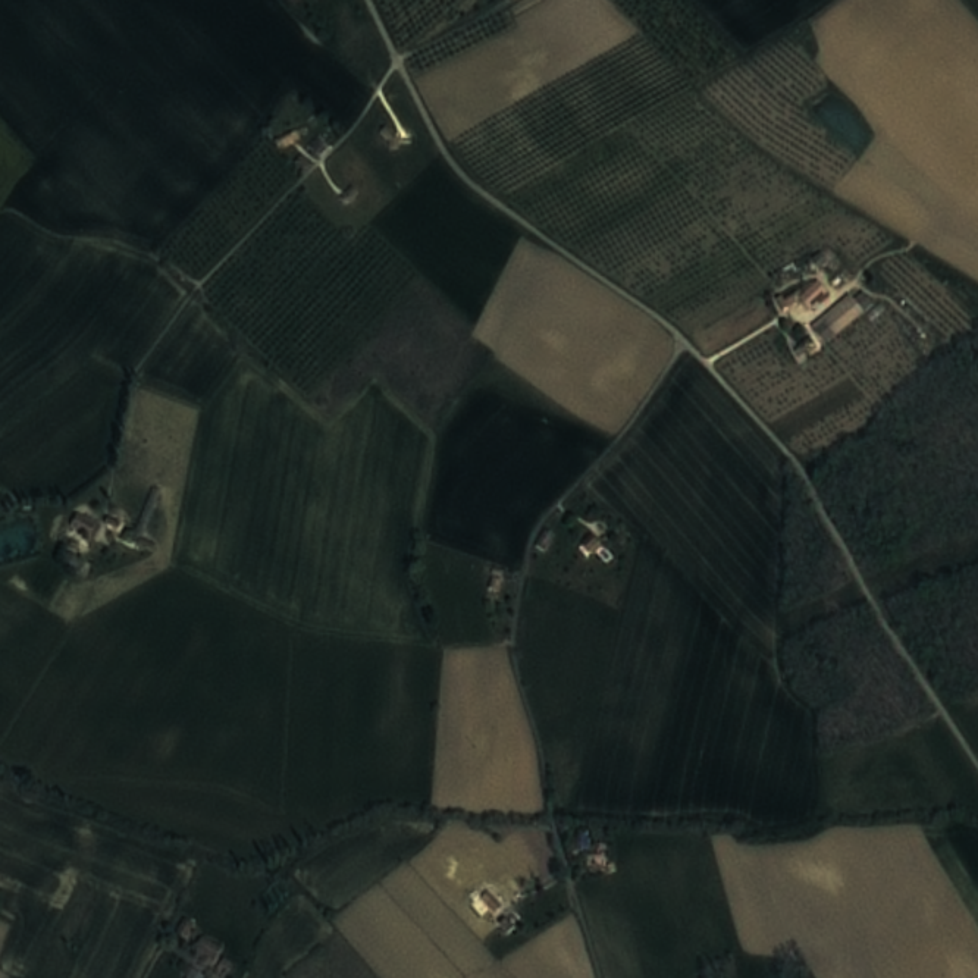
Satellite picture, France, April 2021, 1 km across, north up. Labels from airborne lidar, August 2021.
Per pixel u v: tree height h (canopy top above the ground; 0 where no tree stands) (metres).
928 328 0
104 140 0
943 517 15
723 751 0
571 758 0
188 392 0
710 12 0
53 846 0
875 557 21
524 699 0
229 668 0
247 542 0
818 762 0
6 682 0
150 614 0
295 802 0
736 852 0
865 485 20
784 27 0
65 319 0
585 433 0
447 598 0
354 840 0
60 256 0
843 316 0
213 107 0
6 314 0
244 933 0
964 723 0
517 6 0
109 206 0
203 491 0
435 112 0
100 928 0
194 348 0
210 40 0
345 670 0
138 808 0
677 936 0
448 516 0
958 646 16
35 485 0
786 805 0
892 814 7
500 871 0
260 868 11
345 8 0
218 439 0
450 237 0
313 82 0
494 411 0
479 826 13
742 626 0
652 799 0
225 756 0
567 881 12
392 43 0
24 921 0
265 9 0
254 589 0
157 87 0
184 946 13
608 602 0
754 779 0
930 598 21
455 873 0
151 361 0
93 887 0
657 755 0
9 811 0
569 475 0
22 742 0
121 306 0
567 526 10
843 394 0
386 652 0
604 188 6
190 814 0
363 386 0
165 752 0
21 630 0
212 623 0
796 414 0
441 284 0
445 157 0
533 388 0
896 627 11
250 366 0
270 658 0
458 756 0
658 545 0
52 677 0
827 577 19
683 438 0
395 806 12
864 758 0
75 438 0
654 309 0
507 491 0
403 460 0
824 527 12
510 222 0
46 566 0
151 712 0
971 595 13
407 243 0
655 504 0
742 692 0
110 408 0
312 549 0
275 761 0
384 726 0
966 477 15
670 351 0
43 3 0
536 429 0
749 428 0
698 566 0
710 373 0
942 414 13
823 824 8
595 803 0
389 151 0
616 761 0
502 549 0
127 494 0
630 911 0
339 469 0
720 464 0
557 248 0
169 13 0
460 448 0
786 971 22
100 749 0
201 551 0
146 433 0
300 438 0
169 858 0
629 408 0
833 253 0
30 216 0
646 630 0
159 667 0
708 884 0
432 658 0
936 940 0
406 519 0
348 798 0
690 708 0
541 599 0
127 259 0
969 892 0
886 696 15
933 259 0
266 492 0
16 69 0
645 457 0
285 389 0
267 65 0
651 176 6
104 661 0
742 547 0
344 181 0
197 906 0
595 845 9
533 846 0
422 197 0
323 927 0
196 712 0
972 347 20
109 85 0
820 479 20
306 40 0
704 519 0
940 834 0
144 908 0
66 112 0
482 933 0
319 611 0
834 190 0
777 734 0
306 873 0
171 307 0
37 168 0
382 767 0
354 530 0
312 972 0
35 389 0
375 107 0
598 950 0
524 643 0
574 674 0
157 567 0
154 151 0
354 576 0
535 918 0
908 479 13
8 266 0
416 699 0
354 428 0
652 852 0
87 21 0
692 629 0
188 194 0
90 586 0
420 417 0
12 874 0
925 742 0
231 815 0
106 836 0
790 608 11
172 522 0
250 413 0
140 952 0
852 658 15
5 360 0
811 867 0
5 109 0
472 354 0
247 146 0
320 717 0
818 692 16
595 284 0
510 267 0
